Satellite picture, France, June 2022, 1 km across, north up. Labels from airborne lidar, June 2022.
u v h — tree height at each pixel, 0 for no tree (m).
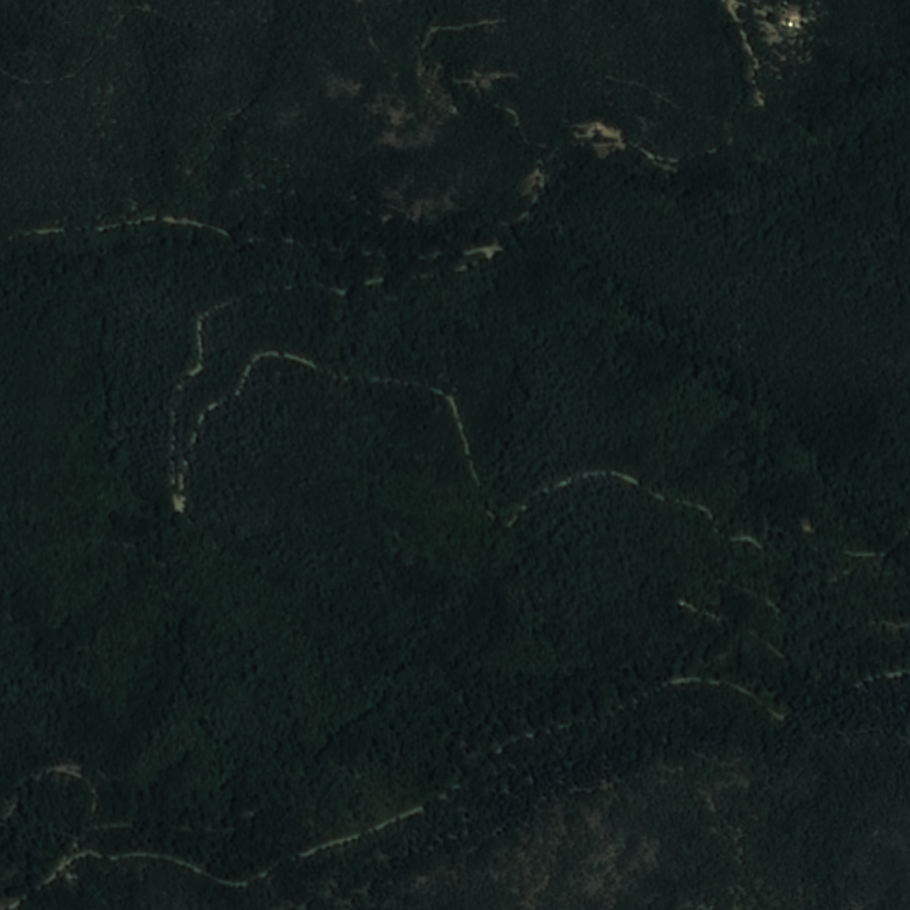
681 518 10
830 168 9
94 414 12
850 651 14
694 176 15
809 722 21
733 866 10
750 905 11
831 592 9
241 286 9
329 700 14
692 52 7
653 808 7
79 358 11
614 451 8
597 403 10
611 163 14
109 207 11
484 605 11
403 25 10
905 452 7
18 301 13
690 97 8
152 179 13
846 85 14
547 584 10
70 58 11
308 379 11
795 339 7
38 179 10
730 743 15
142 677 10
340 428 9
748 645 11
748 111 10
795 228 16
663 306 11
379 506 12
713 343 13
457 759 16
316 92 6
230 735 13
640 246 11
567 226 10
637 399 7
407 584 8
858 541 15
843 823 9
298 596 9
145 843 12
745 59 11
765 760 11
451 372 10
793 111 16
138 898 11
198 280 13
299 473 7
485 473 9
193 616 10
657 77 8
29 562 9
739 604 16
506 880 6
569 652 11
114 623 6
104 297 12
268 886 10
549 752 10
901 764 8
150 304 12
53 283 14
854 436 12
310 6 10
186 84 8
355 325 7
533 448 9
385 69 8
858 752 11
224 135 13
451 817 8
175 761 10
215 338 8
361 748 14
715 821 10
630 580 10
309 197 16
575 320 7
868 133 14
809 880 11
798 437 9
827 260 10
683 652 13
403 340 9
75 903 15
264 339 7
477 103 17
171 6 8
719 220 14
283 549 12
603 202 13
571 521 14
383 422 11
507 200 7
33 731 13
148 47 11
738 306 9
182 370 9
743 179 13
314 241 15
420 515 6
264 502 8
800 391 10
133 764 13
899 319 9
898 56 13
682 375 14
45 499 10
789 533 6
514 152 7
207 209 15
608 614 11
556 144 13
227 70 11
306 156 11
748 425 14
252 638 7
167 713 12
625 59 11
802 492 10
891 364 10
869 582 8
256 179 11
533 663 11
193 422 8
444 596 8
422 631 13
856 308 8
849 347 9
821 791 10
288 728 14
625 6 9
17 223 12
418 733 15
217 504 10
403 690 11
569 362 11
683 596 8
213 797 17
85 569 9
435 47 15
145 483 11
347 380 6
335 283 12
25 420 7
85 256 13
